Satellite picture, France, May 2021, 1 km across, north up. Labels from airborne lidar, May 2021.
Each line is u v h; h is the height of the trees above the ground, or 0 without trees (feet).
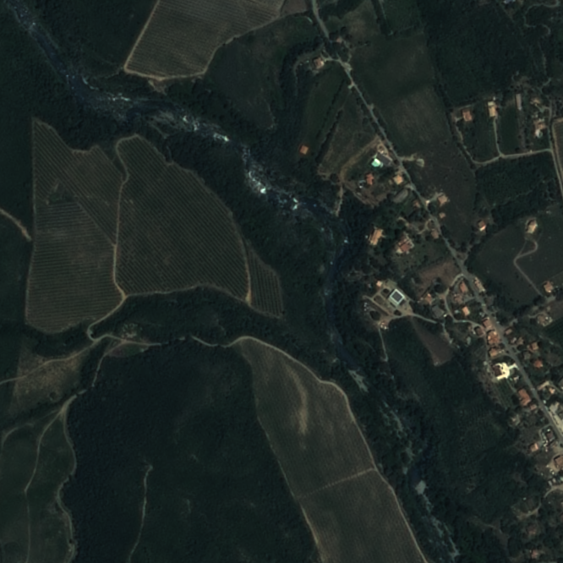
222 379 21
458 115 0
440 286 39
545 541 32
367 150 0
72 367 0
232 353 31
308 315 20
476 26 17
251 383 37
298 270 36
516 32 27
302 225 45
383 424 25
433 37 34
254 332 29
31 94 26
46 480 0
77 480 26
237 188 43
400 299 0
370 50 0
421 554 0
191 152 55
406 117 0
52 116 28
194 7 0
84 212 0
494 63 19
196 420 36
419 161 0
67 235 0
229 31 0
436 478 23
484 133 0
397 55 0
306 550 19
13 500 0
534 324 19
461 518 23
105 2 26
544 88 27
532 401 23
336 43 35
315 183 30
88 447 26
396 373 33
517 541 21
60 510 23
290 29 0
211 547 18
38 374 0
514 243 0
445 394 27
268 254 22
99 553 23
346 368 35
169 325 21
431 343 0
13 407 0
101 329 37
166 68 0
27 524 0
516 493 21
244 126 52
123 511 23
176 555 27
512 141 0
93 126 25
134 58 0
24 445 0
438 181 0
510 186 19
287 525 25
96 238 0
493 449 17
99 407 27
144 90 54
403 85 0
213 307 25
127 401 17
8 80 40
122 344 0
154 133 25
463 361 26
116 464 18
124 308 32
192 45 0
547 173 20
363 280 21
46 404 37
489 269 0
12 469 0
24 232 0
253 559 19
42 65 31
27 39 21
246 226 41
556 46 45
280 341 18
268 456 24
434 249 0
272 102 20
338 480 0
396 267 25
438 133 0
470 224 0
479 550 45
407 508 35
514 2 38
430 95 0
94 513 27
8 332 41
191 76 0
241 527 27
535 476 22
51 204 0
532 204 32
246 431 34
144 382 21
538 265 0
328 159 0
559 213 0
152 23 0
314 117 0
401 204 43
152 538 17
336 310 61
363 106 26
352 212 56
